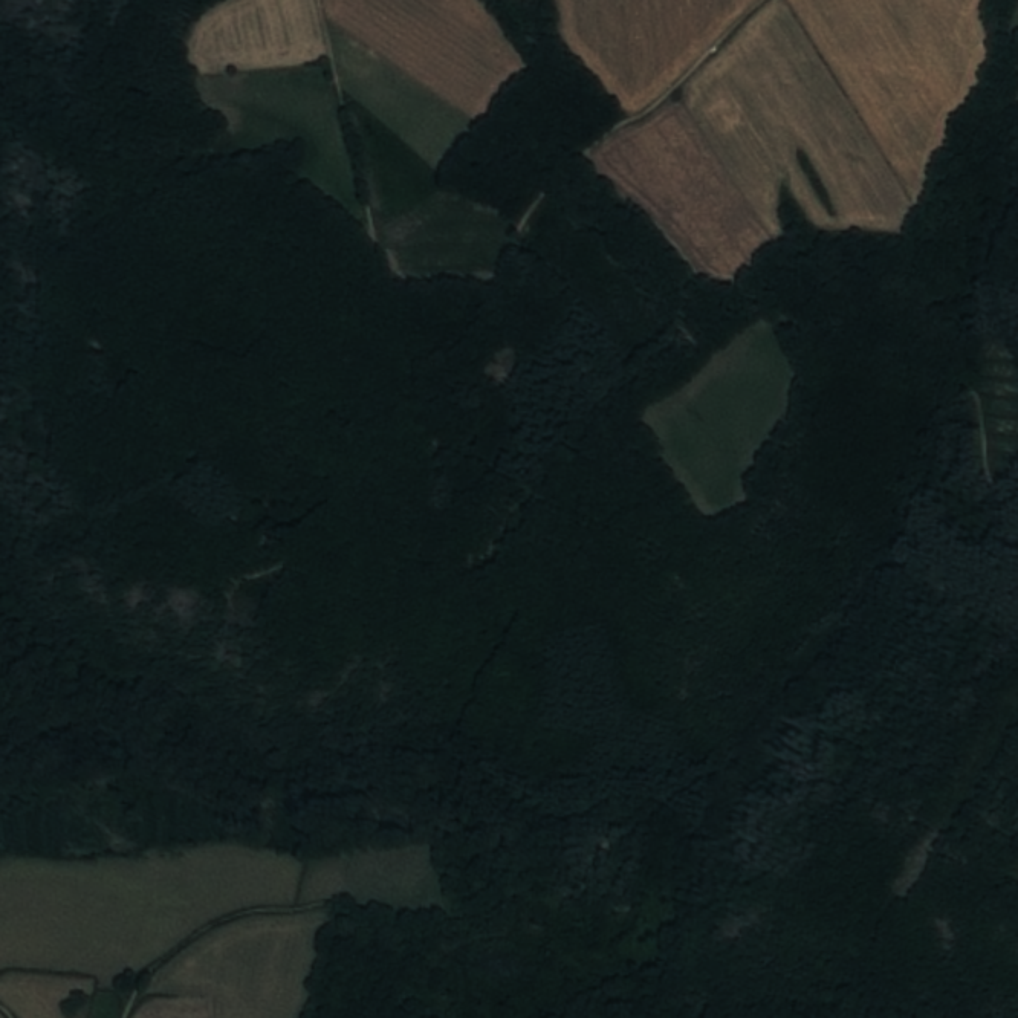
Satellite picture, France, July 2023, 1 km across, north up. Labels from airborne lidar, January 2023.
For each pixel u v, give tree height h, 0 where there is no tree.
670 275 22
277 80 0
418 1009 23
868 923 20
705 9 0
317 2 0
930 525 32
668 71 0
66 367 21
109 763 16
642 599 17
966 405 21
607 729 22
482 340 22
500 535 21
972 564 28
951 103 0
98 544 21
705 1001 25
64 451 18
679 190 0
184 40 13
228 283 19
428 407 21
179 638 10
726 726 19
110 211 19
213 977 0
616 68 0
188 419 23
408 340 19
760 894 16
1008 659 20
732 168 0
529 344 19
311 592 20
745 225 0
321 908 0
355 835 22
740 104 0
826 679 25
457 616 22
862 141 0
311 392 20
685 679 14
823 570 25
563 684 18
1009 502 13
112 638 16
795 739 26
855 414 13
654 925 21
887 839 21
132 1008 0
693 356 22
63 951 0
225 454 19
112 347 19
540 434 16
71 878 0
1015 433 0
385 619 19
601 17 0
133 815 17
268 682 7
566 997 10
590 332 16
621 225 23
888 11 0
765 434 0
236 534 21
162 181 21
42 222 16
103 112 10
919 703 14
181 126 19
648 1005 15
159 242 18
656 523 17
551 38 16
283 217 19
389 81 0
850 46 0
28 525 10
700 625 15
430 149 0
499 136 21
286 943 0
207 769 25
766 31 0
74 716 27
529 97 20
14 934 0
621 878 10
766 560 22
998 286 22
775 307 20
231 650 7
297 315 21
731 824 21
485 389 20
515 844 25
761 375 0
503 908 9
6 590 21
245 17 0
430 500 22
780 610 24
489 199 22
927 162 0
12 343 21
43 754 26
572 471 22
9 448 11
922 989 9
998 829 7
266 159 19
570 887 18
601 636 20
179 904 0
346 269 19
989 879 22
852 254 18
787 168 0
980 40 0
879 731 12
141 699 25
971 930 14
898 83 0
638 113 0
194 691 27
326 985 10
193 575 15
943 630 24
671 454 0
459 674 20
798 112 0
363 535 19
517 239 22
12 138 8
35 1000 0
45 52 8
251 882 0
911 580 29
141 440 20
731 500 0
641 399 19
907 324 21
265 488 18
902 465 12
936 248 22
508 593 24
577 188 20
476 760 21
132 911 0
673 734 18
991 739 0
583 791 24
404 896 0
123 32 16
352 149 14
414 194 0
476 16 0
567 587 20
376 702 14
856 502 11
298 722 14
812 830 20
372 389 17
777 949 14
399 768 21
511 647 23
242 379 19
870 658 23
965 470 21
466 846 22
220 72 0
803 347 24
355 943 15
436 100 0
